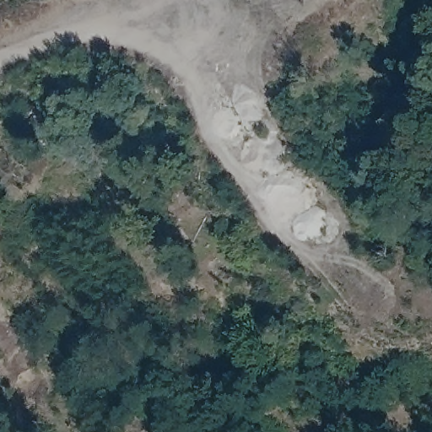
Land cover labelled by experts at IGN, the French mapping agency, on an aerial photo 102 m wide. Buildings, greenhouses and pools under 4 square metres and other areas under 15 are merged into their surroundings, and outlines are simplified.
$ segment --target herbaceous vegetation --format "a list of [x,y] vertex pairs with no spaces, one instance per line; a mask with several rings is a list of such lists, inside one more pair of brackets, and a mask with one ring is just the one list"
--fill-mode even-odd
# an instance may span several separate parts
[[0,27],[8,27],[10,20],[15,25],[24,25],[25,22],[37,19],[40,13],[46,13],[49,10],[49,3],[40,3],[40,0],[0,0]]
[[37,175],[25,175],[27,167],[24,164],[17,159],[10,160],[10,137],[7,130],[3,130],[0,137],[0,177],[8,199],[22,201],[27,194],[35,194],[39,191],[42,181]]
[[321,418],[302,425],[299,432],[324,432],[327,425],[346,429],[349,418],[353,420],[353,424],[380,425],[386,418],[390,418],[402,429],[410,424],[410,415],[403,405],[397,410],[383,413],[361,408],[348,410],[339,405],[334,408],[322,408],[319,413]]
[[7,62],[2,69],[3,73],[8,74],[17,67],[22,67],[25,73],[29,73],[35,59],[51,59],[54,51],[62,46],[71,49],[79,47],[86,56],[89,56],[89,51],[110,51],[110,46],[100,37],[94,37],[89,42],[81,42],[78,35],[61,34],[52,42],[47,40],[44,51],[34,49],[29,57]]
[[[278,57],[278,61],[282,61],[282,76],[275,83],[268,83],[265,86],[268,108],[283,88],[294,84],[299,78],[314,79],[314,76],[324,71],[331,71],[332,83],[358,84],[359,81],[368,81],[368,91],[371,93],[373,105],[364,125],[358,128],[346,125],[344,128],[346,147],[341,157],[348,160],[349,157],[361,157],[368,150],[385,148],[395,130],[393,118],[408,101],[410,84],[405,83],[407,79],[400,73],[400,62],[410,61],[415,64],[422,52],[420,37],[413,32],[412,17],[418,12],[427,12],[427,8],[432,5],[432,0],[403,0],[395,30],[391,32],[390,37],[386,37],[383,34],[383,0],[341,0],[327,2],[319,8],[319,12],[312,13],[307,19],[295,25],[294,32],[285,40]],[[297,51],[295,39],[300,32],[304,32],[305,25],[319,29],[317,35],[321,37],[322,47],[316,59]],[[348,61],[337,62],[339,49],[336,39],[341,39],[351,46],[354,34],[364,34],[376,44],[375,54],[366,66],[354,66],[353,62]]]
[[187,375],[204,378],[204,373],[223,375],[233,364],[228,354],[223,353],[216,358],[206,354],[199,363],[187,366]]
[[64,397],[47,397],[52,390],[52,375],[52,371],[49,370],[37,368],[35,359],[27,359],[29,351],[19,348],[17,344],[17,334],[10,326],[10,314],[15,305],[27,302],[34,292],[30,278],[24,277],[8,263],[2,262],[0,250],[0,432],[78,432],[76,425],[81,425],[83,420],[76,413],[67,413]]
[[[135,248],[130,255],[133,262],[142,268],[143,277],[152,289],[152,294],[174,295],[175,304],[182,304],[184,300],[192,299],[196,295],[199,295],[199,299],[214,297],[218,299],[219,305],[224,307],[226,287],[221,285],[223,280],[216,273],[218,267],[228,268],[229,263],[218,253],[218,238],[209,235],[206,229],[206,223],[211,221],[206,216],[206,209],[197,208],[197,204],[192,204],[184,192],[175,192],[169,204],[170,216],[157,223],[150,245]],[[170,289],[167,273],[157,273],[157,265],[154,262],[155,248],[162,248],[164,245],[186,246],[187,250],[194,250],[197,270],[186,289]]]
[[332,289],[337,295],[337,299],[329,304],[329,316],[332,317],[334,326],[343,331],[349,353],[353,353],[354,358],[361,361],[358,375],[354,376],[353,380],[334,375],[329,378],[334,381],[339,391],[361,388],[361,383],[366,376],[370,376],[371,371],[378,366],[385,368],[386,364],[400,356],[402,349],[418,349],[420,353],[432,359],[432,334],[420,339],[390,339],[375,332],[373,322],[383,322],[383,329],[393,331],[400,327],[393,324],[393,319],[400,314],[407,319],[432,317],[432,289],[427,283],[427,278],[418,277],[410,267],[393,265],[390,270],[380,272],[393,285],[393,295],[386,295],[378,283],[356,268],[341,267],[337,263],[321,262],[321,270],[316,275],[321,277],[324,289]]
[[182,76],[172,73],[170,67],[160,66],[154,57],[143,56],[140,52],[127,49],[127,64],[137,69],[138,64],[145,61],[148,67],[159,67],[174,86],[175,96],[186,100]]

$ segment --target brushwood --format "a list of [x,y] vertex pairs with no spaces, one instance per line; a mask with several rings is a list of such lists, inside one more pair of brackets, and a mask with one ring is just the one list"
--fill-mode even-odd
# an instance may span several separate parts
[[[233,316],[235,310],[241,309],[243,305],[250,305],[253,319],[258,326],[263,327],[268,327],[270,317],[275,317],[278,321],[282,319],[283,314],[287,314],[292,321],[299,322],[312,319],[322,321],[329,316],[329,304],[337,299],[337,295],[332,289],[324,289],[321,277],[316,275],[302,265],[297,272],[292,273],[287,268],[267,267],[258,262],[256,253],[246,256],[241,262],[229,263],[228,268],[218,267],[216,273],[223,280],[221,285],[226,287],[224,307],[224,310]],[[275,297],[272,304],[248,297],[251,287],[258,283],[272,289]]]
[[393,319],[393,324],[400,327],[393,331],[383,329],[383,322],[373,322],[375,332],[390,339],[420,339],[432,334],[432,317],[407,319],[400,314]]
[[3,130],[7,130],[10,137],[34,137],[35,125],[44,123],[46,118],[51,120],[52,115],[47,113],[44,101],[32,100],[27,103],[32,111],[29,116],[7,116],[2,123]]
[[69,326],[59,334],[56,348],[49,354],[49,370],[52,371],[52,375],[59,373],[59,366],[71,356],[71,349],[78,344],[79,337],[88,334],[89,324],[81,316],[81,312],[88,302],[89,295],[78,292],[76,297],[73,297],[67,294],[66,289],[49,289],[56,295],[54,305],[69,312]]
[[118,127],[115,121],[96,113],[93,125],[89,128],[94,142],[105,142],[115,137]]
[[391,32],[395,30],[403,0],[383,0],[383,34],[386,37],[390,37]]
[[155,147],[155,154],[160,155],[164,154],[165,150],[186,150],[179,147],[177,135],[165,132],[164,123],[155,123],[152,128],[138,128],[137,135],[127,133],[123,143],[116,147],[118,157],[123,160],[130,157],[138,159],[145,155],[147,147]]
[[83,218],[88,211],[105,211],[106,214],[118,214],[118,218],[125,218],[123,206],[135,206],[138,199],[130,194],[127,187],[116,187],[115,182],[106,175],[101,175],[98,179],[96,175],[88,174],[84,170],[74,167],[66,169],[64,165],[46,162],[42,157],[27,160],[24,164],[27,167],[25,175],[37,175],[42,181],[39,191],[35,194],[47,204],[35,213],[46,216],[49,213],[67,211],[76,219]]
[[322,47],[321,37],[317,35],[319,29],[305,25],[304,32],[300,32],[295,39],[297,51],[316,59]]

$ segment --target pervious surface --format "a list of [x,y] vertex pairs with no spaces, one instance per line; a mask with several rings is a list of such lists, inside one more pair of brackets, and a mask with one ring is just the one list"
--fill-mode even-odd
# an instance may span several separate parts
[[393,285],[380,272],[376,272],[368,265],[366,256],[356,258],[351,255],[351,250],[356,248],[358,236],[348,233],[349,224],[343,211],[343,199],[332,196],[324,182],[319,181],[317,177],[305,177],[304,172],[297,169],[292,162],[280,162],[280,155],[283,154],[285,147],[277,140],[278,121],[273,118],[268,108],[265,86],[268,83],[275,83],[282,76],[282,61],[278,61],[278,57],[285,40],[294,32],[295,25],[307,19],[312,13],[319,12],[319,8],[327,2],[341,0],[40,0],[40,3],[49,3],[49,10],[46,13],[40,13],[37,19],[25,22],[24,25],[15,25],[10,20],[8,27],[0,27],[0,69],[2,69],[7,62],[29,57],[34,49],[44,51],[47,40],[52,42],[61,34],[78,35],[81,42],[89,42],[94,37],[100,37],[110,46],[127,49],[140,52],[143,56],[154,57],[160,66],[170,67],[172,73],[182,76],[186,100],[187,108],[196,120],[197,132],[202,140],[208,143],[209,150],[218,157],[223,169],[233,175],[236,184],[250,201],[251,208],[255,209],[256,218],[262,221],[263,228],[277,236],[283,245],[289,246],[302,265],[316,275],[321,270],[321,262],[337,263],[341,267],[356,268],[378,283],[386,295],[393,295]]

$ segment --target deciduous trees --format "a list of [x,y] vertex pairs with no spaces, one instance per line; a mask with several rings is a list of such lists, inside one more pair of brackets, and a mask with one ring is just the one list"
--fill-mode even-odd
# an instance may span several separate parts
[[299,78],[294,84],[283,88],[268,108],[273,118],[278,121],[277,140],[285,147],[283,154],[280,155],[280,162],[292,162],[297,169],[304,172],[305,177],[317,177],[319,181],[324,182],[332,196],[343,199],[343,211],[349,224],[348,233],[358,236],[356,248],[351,250],[351,255],[356,258],[366,256],[368,265],[376,272],[380,272],[390,270],[393,265],[410,267],[418,277],[427,278],[427,283],[432,289],[432,5],[427,8],[427,12],[418,12],[412,17],[413,32],[420,37],[422,52],[415,64],[410,61],[400,62],[400,73],[407,79],[405,83],[410,84],[408,101],[393,118],[395,130],[385,148],[368,150],[361,157],[349,157],[348,160],[341,157],[346,147],[344,128],[346,125],[358,128],[364,125],[373,105],[371,93],[368,91],[368,81],[359,81],[358,84],[332,83],[331,71],[324,71],[314,76],[314,79]]
[[157,273],[167,273],[170,289],[186,289],[197,270],[194,250],[187,250],[186,246],[164,245],[162,248],[155,248],[154,262],[157,265]]
[[[54,305],[56,295],[49,289],[66,289],[67,294],[73,297],[76,297],[78,292],[89,295],[88,302],[81,312],[81,316],[89,324],[88,334],[79,337],[78,344],[71,349],[71,356],[59,366],[59,373],[52,375],[52,390],[47,397],[64,397],[67,413],[76,413],[83,420],[81,425],[76,425],[78,432],[299,432],[302,425],[321,418],[319,413],[322,408],[334,408],[339,405],[348,410],[361,408],[383,413],[397,410],[403,405],[410,415],[410,424],[402,429],[390,418],[386,418],[380,425],[353,424],[353,420],[349,418],[346,429],[327,425],[324,432],[432,432],[432,359],[420,353],[418,349],[402,349],[400,356],[386,364],[385,368],[378,366],[371,371],[370,376],[366,376],[361,383],[361,388],[339,391],[334,381],[329,378],[334,375],[353,380],[354,376],[358,375],[361,361],[354,358],[353,353],[349,353],[343,331],[334,326],[332,317],[329,316],[322,321],[312,319],[299,322],[292,321],[287,314],[283,314],[282,319],[278,321],[275,317],[270,317],[268,327],[263,327],[258,326],[253,319],[250,305],[243,305],[241,309],[235,310],[233,316],[224,310],[224,307],[219,305],[218,299],[214,297],[199,299],[199,295],[196,295],[192,299],[184,300],[182,304],[175,304],[174,295],[152,294],[152,289],[143,277],[142,268],[133,262],[130,255],[135,248],[150,245],[157,223],[170,216],[169,204],[175,192],[184,192],[192,204],[197,204],[197,208],[206,209],[206,216],[211,221],[206,223],[206,229],[209,235],[218,238],[218,253],[229,263],[241,262],[246,256],[256,253],[258,262],[267,267],[287,268],[292,273],[297,272],[302,265],[289,246],[283,245],[277,236],[263,228],[262,221],[256,218],[255,209],[251,208],[250,201],[236,184],[233,175],[223,169],[218,157],[209,150],[208,143],[202,140],[197,132],[196,120],[187,108],[186,100],[175,96],[174,86],[159,67],[148,67],[145,61],[138,64],[137,69],[127,64],[127,49],[110,46],[110,51],[89,51],[89,56],[86,56],[79,47],[71,49],[62,46],[54,51],[51,59],[35,59],[29,73],[25,73],[22,67],[17,67],[8,74],[3,73],[2,69],[0,69],[0,137],[3,130],[2,123],[7,116],[29,116],[32,111],[27,103],[32,100],[44,101],[47,113],[52,115],[51,120],[46,118],[44,123],[35,125],[34,137],[10,137],[10,160],[17,159],[24,164],[27,160],[42,157],[46,162],[64,165],[66,169],[74,167],[84,170],[88,174],[96,175],[98,179],[101,175],[106,175],[115,182],[116,187],[127,187],[130,194],[138,199],[135,206],[123,206],[125,218],[118,218],[118,214],[106,214],[105,211],[88,211],[83,218],[76,219],[67,211],[49,213],[46,216],[35,213],[47,204],[35,194],[27,194],[22,201],[8,199],[0,177],[0,250],[2,262],[8,263],[24,277],[30,278],[34,292],[27,302],[15,305],[10,314],[10,326],[17,334],[17,344],[19,348],[29,351],[27,359],[35,359],[37,368],[49,370],[49,354],[56,348],[59,334],[69,326],[69,312]],[[115,121],[118,127],[115,137],[105,142],[94,142],[89,128],[93,125],[96,113]],[[177,135],[179,147],[186,150],[165,150],[164,154],[160,155],[155,154],[155,147],[147,147],[145,155],[138,159],[130,157],[123,160],[118,157],[116,147],[123,143],[127,133],[137,135],[138,128],[152,128],[155,123],[164,123],[165,132]],[[223,375],[204,373],[204,378],[187,375],[187,366],[199,363],[206,354],[216,358],[223,353],[228,354],[233,364]]]
[[251,287],[248,297],[272,304],[275,297],[272,289],[258,283]]
[[354,34],[351,46],[341,39],[336,39],[339,49],[337,62],[348,61],[353,62],[354,66],[366,66],[375,54],[376,44],[364,34]]

